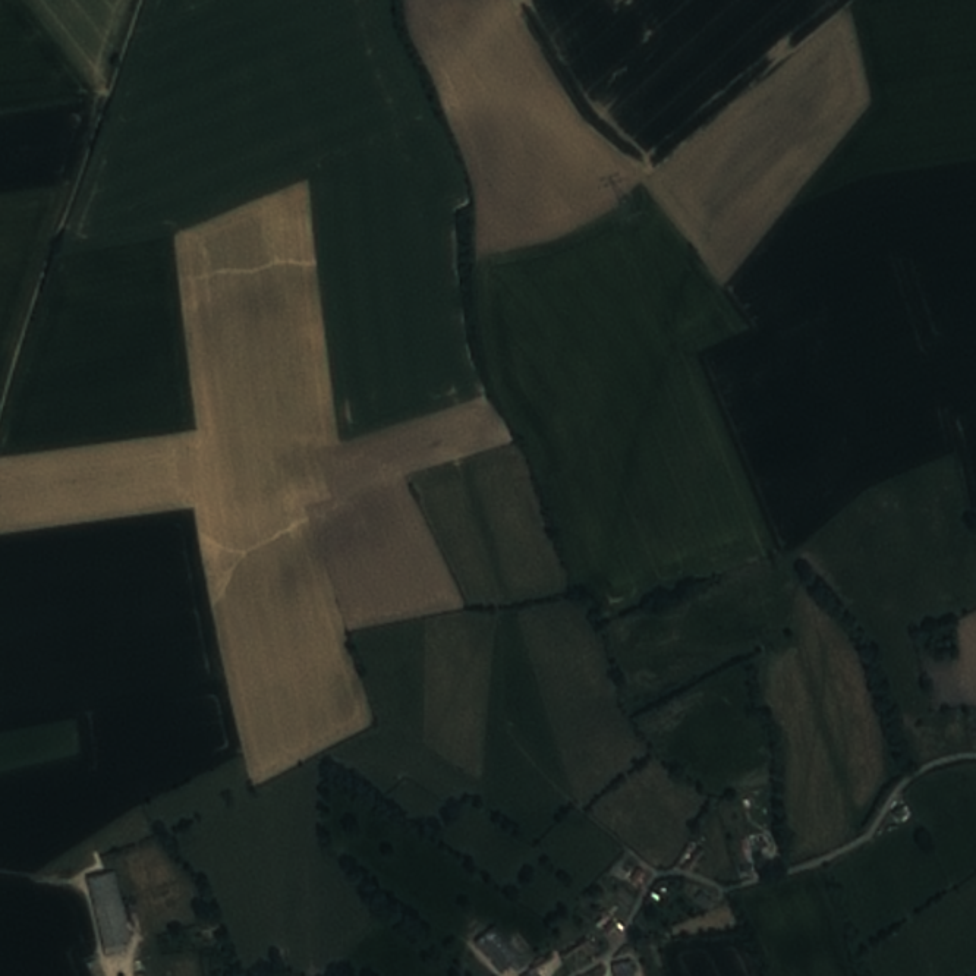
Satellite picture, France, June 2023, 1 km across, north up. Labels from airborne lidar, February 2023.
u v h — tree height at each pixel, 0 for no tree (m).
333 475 0
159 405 0
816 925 0
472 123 0
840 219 0
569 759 0
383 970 0
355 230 0
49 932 0
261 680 0
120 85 0
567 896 0
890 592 0
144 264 0
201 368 0
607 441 0
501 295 0
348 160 0
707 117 0
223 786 0
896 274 0
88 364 0
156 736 0
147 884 0
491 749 0
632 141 0
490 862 0
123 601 0
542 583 0
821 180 0
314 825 0
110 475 0
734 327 0
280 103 0
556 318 0
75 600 0
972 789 0
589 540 0
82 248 0
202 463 0
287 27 0
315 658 0
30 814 0
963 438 0
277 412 0
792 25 0
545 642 0
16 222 0
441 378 0
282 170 0
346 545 0
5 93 0
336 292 0
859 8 0
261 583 0
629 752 0
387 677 0
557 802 0
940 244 0
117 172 0
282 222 0
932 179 0
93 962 0
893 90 0
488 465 0
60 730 0
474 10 0
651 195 0
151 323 0
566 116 0
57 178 0
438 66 0
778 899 0
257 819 0
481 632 0
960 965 0
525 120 0
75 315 0
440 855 0
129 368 0
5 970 0
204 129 0
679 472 0
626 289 0
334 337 0
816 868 0
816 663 0
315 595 0
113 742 0
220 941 13
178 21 0
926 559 0
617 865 0
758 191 0
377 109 0
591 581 0
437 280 0
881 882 0
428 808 0
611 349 0
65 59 0
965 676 0
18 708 0
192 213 0
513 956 0
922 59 0
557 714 0
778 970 0
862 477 0
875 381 0
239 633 0
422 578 0
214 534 0
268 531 0
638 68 0
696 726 0
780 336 0
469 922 0
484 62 0
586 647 0
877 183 0
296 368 0
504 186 0
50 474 0
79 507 0
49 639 0
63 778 0
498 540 0
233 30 0
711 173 0
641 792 0
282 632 0
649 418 0
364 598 0
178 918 0
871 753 0
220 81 0
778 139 0
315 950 0
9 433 0
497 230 0
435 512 0
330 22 0
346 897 0
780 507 0
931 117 0
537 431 0
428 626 0
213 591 0
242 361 0
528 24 0
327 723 0
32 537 0
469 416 0
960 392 0
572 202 0
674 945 0
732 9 0
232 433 0
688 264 0
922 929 0
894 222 0
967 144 0
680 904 9
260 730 0
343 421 0
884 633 0
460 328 0
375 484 0
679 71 0
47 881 0
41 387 0
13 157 0
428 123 0
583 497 0
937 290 0
